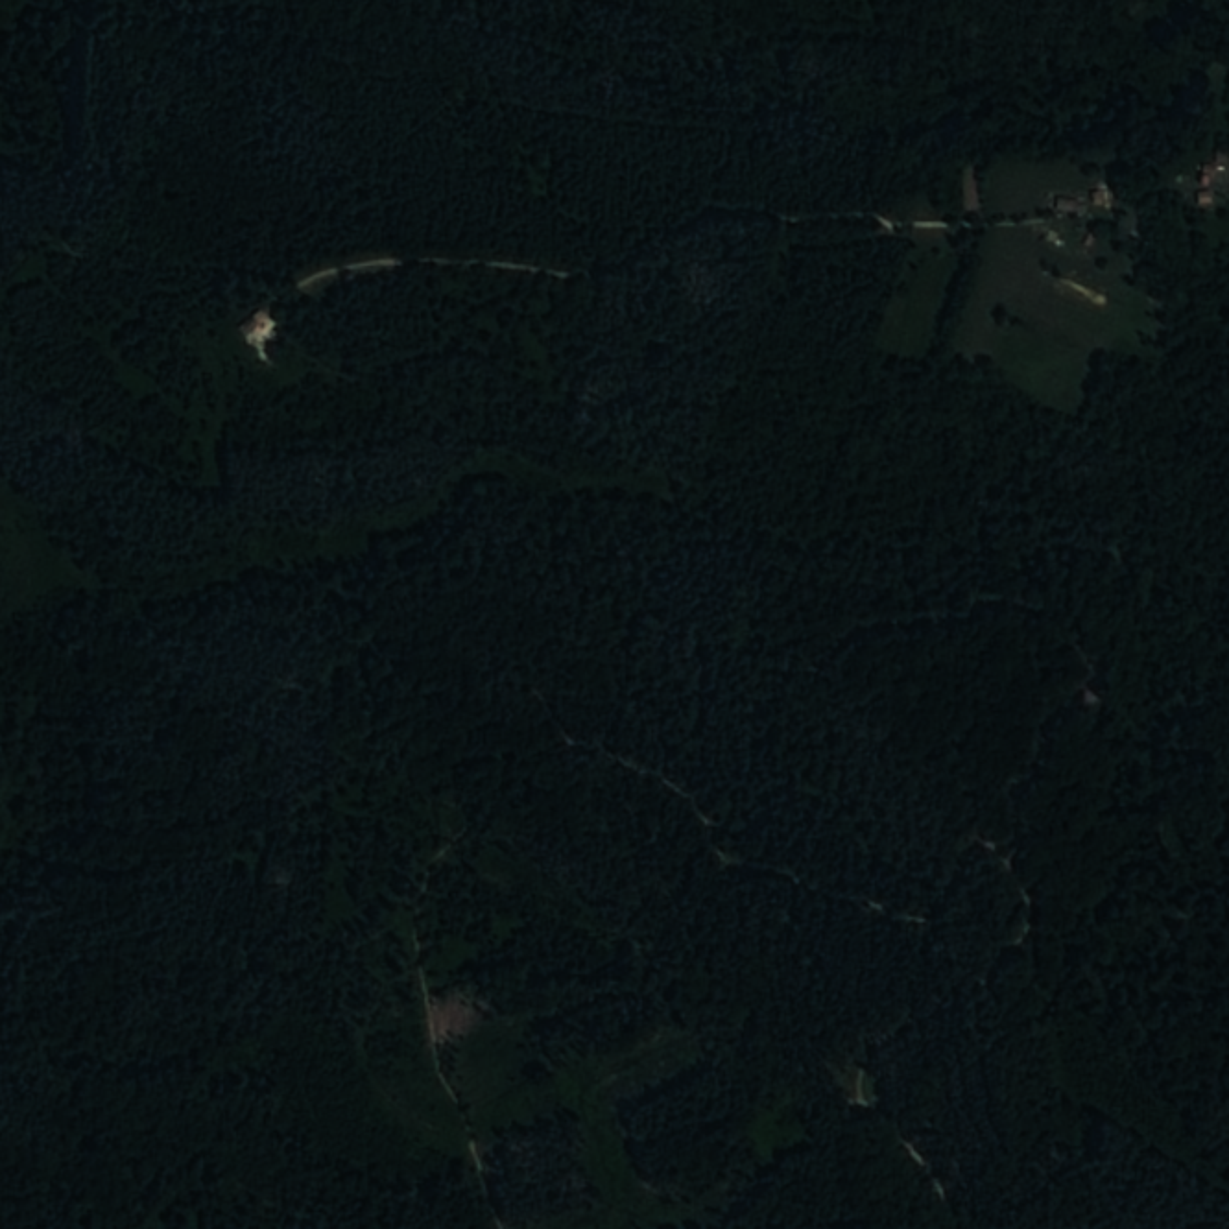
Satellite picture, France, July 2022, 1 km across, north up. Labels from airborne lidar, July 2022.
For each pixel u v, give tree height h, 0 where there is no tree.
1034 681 29
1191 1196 20
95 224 24
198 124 19
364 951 7
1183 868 9
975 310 0
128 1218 20
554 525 28
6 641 12
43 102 12
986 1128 23
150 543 43
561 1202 22
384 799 6
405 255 10
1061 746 30
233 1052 6
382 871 8
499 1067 0
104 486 35
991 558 31
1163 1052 24
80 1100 35
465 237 16
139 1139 25
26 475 36
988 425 20
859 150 13
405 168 18
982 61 19
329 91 18
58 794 20
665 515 8
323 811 18
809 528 18
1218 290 23
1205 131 16
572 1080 0
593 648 22
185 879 27
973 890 19
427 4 25
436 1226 13
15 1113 31
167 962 25
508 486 22
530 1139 27
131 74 28
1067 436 20
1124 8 23
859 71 28
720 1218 15
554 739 25
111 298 13
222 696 28
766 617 27
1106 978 28
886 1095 24
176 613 29
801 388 11
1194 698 29
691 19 32
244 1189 14
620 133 14
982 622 29
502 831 33
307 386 12
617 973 11
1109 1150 30
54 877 29
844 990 28
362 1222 22
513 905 9
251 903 24
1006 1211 23
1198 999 26
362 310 20
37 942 22
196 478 10
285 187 22
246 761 31
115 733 29
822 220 10
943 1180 26
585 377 26
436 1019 0
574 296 17
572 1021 32
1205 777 30
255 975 31
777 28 11
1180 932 28
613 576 22
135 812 32
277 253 21
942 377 19
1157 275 19
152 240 19
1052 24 24
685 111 21
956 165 21
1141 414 22
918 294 0
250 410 12
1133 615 25
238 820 18
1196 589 18
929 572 24
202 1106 28
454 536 23
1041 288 0
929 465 27
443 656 25
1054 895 23
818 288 21
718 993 21
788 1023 20
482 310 10
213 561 20
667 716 29
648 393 43
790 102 12
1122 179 19
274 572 6
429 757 23
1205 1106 25
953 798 23
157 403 11
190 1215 7
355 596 33
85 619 26
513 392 23
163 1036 25
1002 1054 25
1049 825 23
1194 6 8
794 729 18
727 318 25
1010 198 0
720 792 35
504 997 33
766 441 11
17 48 18
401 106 15
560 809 32
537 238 17
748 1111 18
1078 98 18
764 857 28
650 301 37
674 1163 24
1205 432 20
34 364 8
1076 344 0
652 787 19
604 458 28
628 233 16
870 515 16
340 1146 7
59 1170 25
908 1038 22
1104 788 14
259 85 29
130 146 13
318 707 22
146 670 24
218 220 24
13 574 0
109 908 26
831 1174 24
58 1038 24
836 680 21
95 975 32
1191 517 21
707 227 30
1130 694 29
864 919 26
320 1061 7
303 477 36
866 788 22
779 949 24
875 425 24
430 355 13
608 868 25
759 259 36
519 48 31
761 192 17
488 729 33
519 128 15
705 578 30
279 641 28
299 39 21
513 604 22
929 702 27
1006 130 16
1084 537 33
